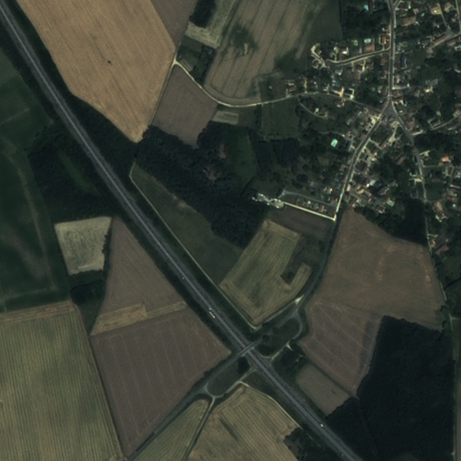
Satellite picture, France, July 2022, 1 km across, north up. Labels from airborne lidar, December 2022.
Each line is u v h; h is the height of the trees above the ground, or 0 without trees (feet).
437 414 63
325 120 0
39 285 0
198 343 0
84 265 0
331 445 0
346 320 0
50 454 0
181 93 0
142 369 0
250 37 0
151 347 0
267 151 70
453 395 60
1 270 0
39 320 0
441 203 0
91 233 0
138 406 0
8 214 0
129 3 0
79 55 0
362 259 0
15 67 28
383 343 48
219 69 0
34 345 0
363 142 0
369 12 51
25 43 0
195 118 0
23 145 0
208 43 0
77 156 34
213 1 52
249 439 0
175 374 0
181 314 0
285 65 0
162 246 0
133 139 0
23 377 0
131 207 0
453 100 20
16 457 0
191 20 31
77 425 0
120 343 0
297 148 62
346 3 35
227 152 32
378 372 50
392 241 0
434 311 0
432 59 35
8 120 0
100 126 45
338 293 0
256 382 0
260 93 0
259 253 0
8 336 0
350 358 0
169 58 0
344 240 0
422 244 42
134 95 0
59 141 45
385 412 74
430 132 37
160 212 0
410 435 74
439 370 83
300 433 36
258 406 0
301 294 0
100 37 0
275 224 0
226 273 0
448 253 32
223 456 0
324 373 0
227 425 0
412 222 18
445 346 89
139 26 0
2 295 0
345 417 67
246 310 0
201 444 0
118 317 0
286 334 0
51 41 0
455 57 22
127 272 0
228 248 0
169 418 0
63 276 0
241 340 0
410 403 66
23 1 0
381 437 71
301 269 0
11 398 0
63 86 26
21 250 0
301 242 0
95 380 0
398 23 0
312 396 0
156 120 0
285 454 0
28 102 0
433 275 0
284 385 0
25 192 0
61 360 0
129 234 0
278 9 0
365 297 0
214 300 0
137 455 0
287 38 0
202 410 0
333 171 20
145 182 0
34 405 0
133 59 0
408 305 0
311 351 0
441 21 23
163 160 73
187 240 0
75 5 0
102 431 0
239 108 0
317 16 0
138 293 0
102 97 0
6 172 0
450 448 54
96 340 0
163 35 0
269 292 0
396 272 0
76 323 0
